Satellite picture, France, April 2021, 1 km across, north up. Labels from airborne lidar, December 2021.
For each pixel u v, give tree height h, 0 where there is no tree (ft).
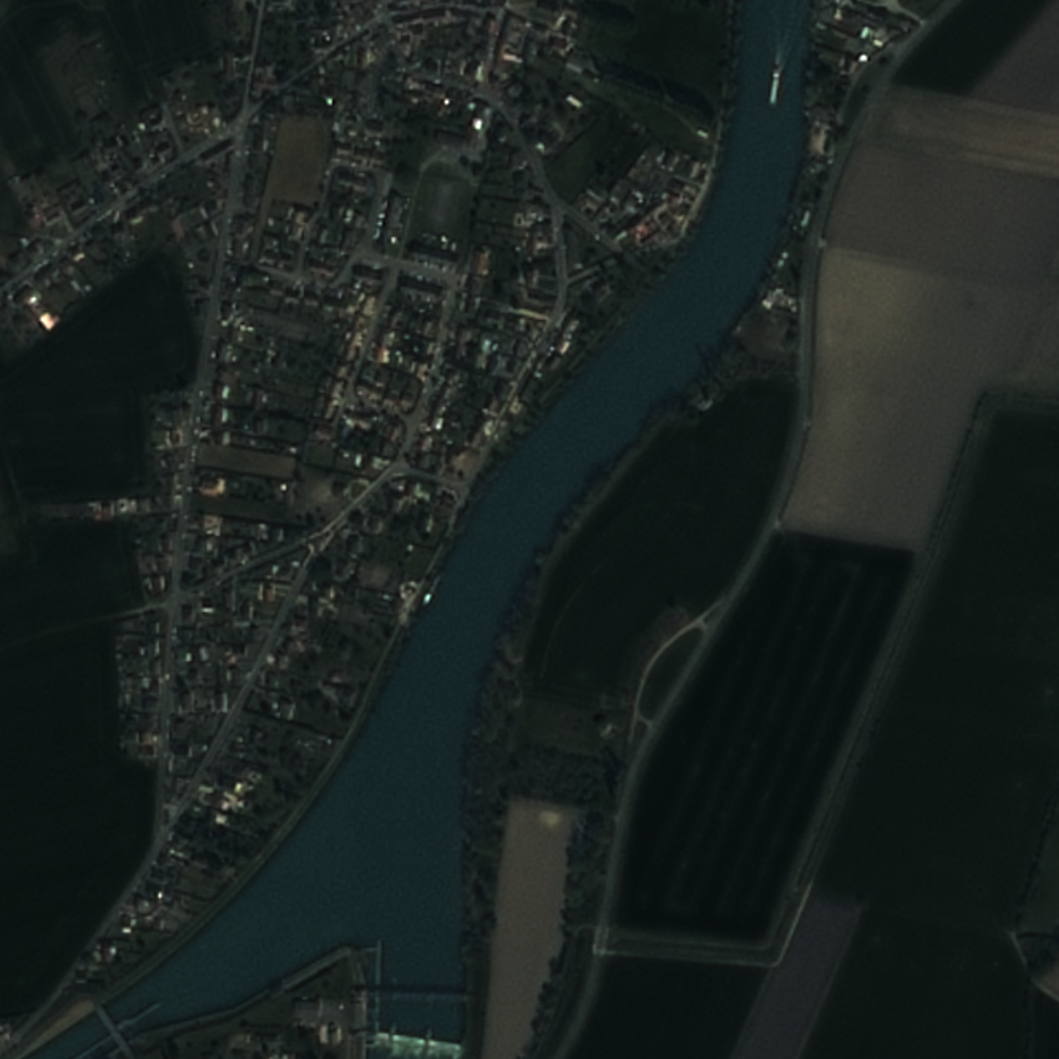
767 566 0
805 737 0
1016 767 0
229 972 0
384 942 0
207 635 24
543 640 0
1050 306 0
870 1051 0
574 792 22
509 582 0
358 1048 0
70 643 0
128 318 0
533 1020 0
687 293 0
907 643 0
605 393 0
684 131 0
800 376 0
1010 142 0
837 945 0
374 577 0
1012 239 0
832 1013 0
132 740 0
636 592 0
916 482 0
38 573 0
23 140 0
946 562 0
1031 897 21
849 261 0
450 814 0
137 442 0
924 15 0
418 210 0
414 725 0
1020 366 0
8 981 0
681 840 0
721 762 0
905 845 0
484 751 63
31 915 0
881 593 0
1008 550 0
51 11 0
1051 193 0
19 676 0
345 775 0
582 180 0
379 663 0
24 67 0
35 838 0
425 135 28
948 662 0
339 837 0
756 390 0
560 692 0
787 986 0
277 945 0
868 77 0
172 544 0
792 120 0
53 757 0
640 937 0
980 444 0
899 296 0
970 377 0
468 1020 0
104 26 0
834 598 0
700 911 0
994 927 0
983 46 0
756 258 0
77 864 0
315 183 0
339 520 0
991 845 0
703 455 0
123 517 0
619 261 39
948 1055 0
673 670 0
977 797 0
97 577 0
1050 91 0
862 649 0
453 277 0
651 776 0
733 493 0
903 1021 0
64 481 0
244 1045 0
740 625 0
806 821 0
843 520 0
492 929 45
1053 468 0
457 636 0
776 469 0
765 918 0
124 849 0
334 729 0
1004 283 0
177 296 0
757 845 0
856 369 0
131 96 0
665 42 0
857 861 0
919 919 0
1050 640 0
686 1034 0
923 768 0
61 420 0
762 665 0
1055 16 0
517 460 0
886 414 0
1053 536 0
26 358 0
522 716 0
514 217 0
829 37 0
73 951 0
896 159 0
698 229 31
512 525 0
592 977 0
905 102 0
